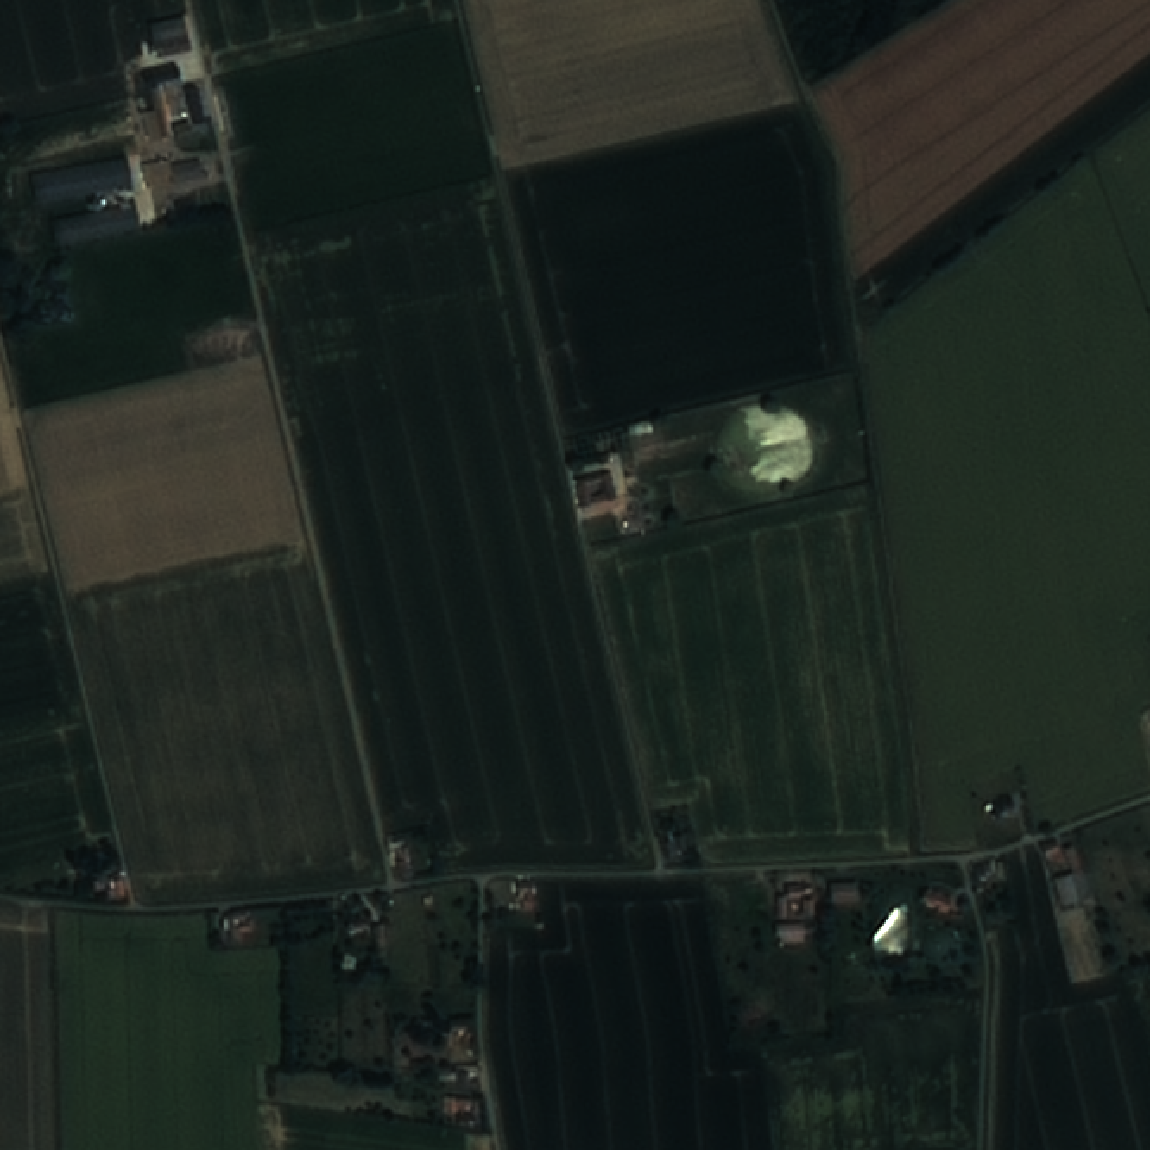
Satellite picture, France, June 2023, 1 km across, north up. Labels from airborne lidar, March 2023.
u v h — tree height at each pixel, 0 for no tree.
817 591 0
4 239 0
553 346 0
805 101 0
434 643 0
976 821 0
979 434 0
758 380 0
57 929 0
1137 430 0
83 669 0
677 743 0
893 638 0
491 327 0
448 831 0
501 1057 0
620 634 0
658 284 0
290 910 8
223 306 0
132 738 0
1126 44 0
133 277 0
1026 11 0
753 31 0
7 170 0
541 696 0
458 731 0
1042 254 0
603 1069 0
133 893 0
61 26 0
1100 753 0
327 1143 0
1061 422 0
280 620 0
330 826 0
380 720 0
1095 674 0
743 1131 0
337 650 0
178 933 0
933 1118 0
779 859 0
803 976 0
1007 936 0
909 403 0
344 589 0
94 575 0
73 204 0
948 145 0
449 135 0
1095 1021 0
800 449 0
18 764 0
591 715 0
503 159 0
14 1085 0
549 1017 0
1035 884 0
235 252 0
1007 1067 0
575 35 0
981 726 0
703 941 0
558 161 0
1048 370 0
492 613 0
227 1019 0
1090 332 0
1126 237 0
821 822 0
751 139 0
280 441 0
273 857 0
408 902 0
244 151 0
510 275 0
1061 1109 0
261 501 0
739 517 0
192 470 0
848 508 0
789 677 0
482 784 0
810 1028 0
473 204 0
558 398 0
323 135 0
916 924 0
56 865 0
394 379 0
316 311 0
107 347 0
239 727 0
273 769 0
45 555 0
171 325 0
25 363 0
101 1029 0
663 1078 0
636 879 0
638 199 0
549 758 0
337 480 0
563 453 0
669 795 0
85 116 0
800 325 0
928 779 0
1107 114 0
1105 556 0
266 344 0
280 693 0
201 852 0
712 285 0
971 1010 0
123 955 0
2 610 0
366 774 0
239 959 0
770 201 0
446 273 0
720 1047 0
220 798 0
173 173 0
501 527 0
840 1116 0
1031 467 0
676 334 0
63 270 13
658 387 0
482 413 0
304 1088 0
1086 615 0
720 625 0
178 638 0
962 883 0
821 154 0
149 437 0
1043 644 0
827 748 0
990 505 0
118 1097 0
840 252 0
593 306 0
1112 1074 0
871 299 0
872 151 0
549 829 0
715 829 0
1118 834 0
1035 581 0
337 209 0
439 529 0
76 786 0
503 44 0
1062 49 0
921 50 0
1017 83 0
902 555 0
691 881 0
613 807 0
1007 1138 0
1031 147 0
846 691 0
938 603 0
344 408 0
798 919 0
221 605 0
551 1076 0
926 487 0
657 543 0
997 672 0
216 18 0
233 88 0
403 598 0
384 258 0
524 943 0
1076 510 0
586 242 0
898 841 0
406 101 0
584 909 0
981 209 0
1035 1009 0
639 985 0
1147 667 0
